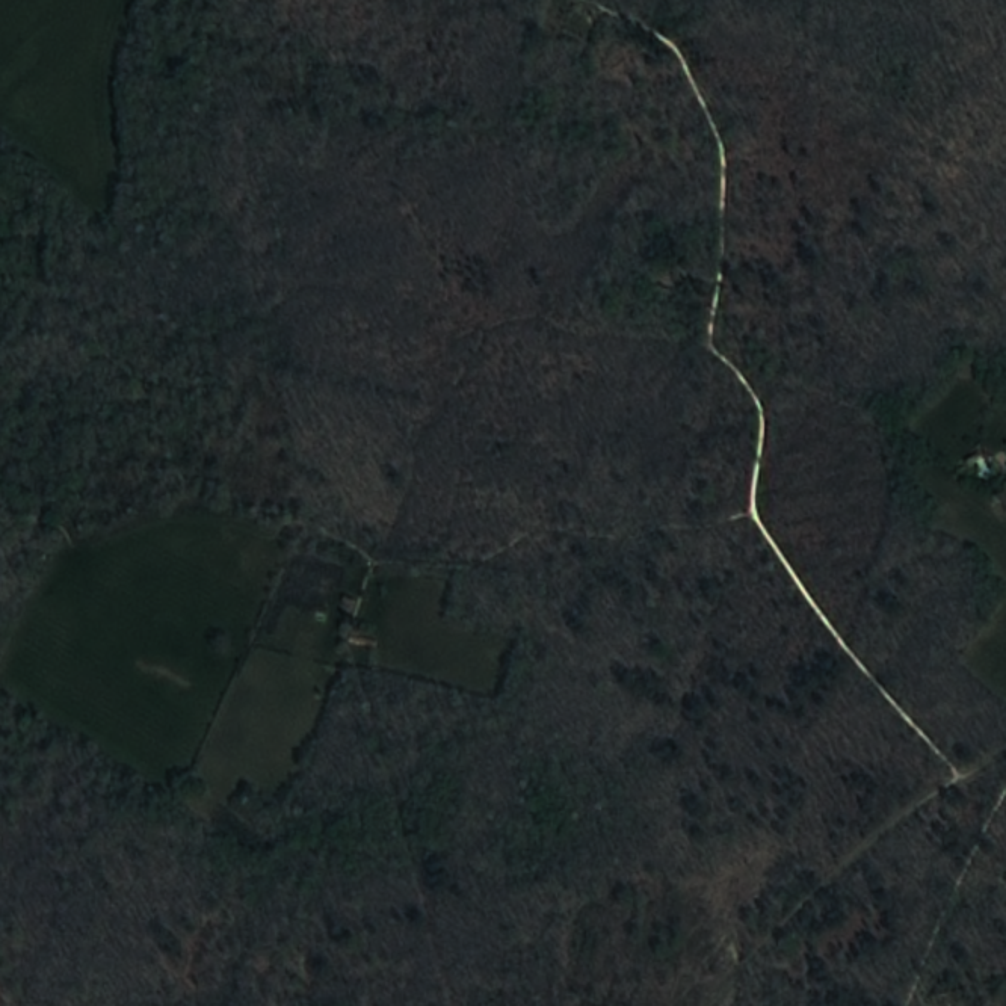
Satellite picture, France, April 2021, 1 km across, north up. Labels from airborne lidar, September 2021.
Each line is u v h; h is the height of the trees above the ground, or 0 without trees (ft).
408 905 52
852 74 64
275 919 65
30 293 70
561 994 27
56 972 54
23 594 45
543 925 41
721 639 31
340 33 31
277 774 0
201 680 0
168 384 60
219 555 0
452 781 71
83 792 65
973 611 83
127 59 58
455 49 27
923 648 65
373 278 31
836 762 40
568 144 59
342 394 68
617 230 63
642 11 60
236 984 49
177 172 71
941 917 52
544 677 57
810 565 34
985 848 71
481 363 27
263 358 69
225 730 0
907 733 62
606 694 62
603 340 26
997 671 0
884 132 28
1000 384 77
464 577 57
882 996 49
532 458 22
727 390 65
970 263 37
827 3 58
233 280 57
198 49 67
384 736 59
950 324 56
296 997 40
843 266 41
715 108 27
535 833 76
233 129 69
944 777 63
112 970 57
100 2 0
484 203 34
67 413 80
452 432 28
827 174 0
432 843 75
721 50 26
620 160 55
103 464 71
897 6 70
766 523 23
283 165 51
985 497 18
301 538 34
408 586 0
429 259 23
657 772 50
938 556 43
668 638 50
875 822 30
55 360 61
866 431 22
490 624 59
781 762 37
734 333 44
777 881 48
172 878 77
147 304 63
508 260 19
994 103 49
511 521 42
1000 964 23
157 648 0
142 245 75
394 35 33
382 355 47
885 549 58
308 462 87
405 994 35
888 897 34
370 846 78
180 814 61
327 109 64
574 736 58
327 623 0
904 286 51
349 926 53
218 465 56
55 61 0
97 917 54
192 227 47
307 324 35
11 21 0
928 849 52
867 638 50
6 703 57
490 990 46
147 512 41
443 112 30
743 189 28
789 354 60
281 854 61
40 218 61
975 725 49
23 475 72
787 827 63
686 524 50
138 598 0
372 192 34
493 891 52
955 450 0
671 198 49
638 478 57
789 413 62
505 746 77
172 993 66
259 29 70
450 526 30
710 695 40
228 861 64
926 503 56
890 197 47
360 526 52
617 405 37
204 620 0
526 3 60
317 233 37
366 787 71
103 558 0
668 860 52
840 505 24
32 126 0
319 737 45
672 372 41
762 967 60
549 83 61
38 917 43
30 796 79
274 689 0
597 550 51
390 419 62
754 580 59
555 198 54
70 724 0
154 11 24
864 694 53
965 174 40
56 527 55
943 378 57
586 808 62
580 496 58
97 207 0
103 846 70
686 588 51
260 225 48
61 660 0
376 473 62
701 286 41
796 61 46
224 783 0
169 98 81
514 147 29
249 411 71
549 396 33
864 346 59
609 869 70
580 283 33
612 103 45
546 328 24
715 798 69
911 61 50
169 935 72
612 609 61
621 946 28
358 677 51
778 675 37
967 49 52
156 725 0
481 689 0
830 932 62
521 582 71
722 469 67
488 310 22
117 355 72
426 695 61
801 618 49
